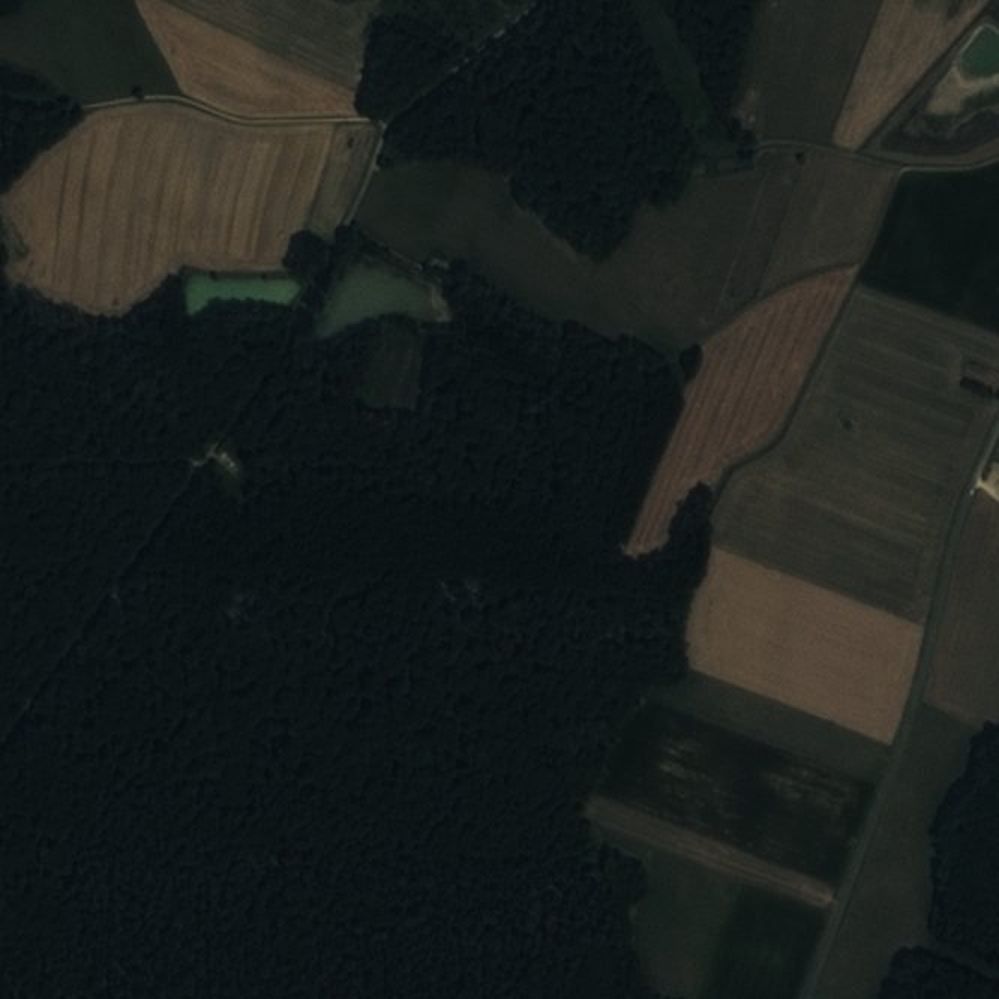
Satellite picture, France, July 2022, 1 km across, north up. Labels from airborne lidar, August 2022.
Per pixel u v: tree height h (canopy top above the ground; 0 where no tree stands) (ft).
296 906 69
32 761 60
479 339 66
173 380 50
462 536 74
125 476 66
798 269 0
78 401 59
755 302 0
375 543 77
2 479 69
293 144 0
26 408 53
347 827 59
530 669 69
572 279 0
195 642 65
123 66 0
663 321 0
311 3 0
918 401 0
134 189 0
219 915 57
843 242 0
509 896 31
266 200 0
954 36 0
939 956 22
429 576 71
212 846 68
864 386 0
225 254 0
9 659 60
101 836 52
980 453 0
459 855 63
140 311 35
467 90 59
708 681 0
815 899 0
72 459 37
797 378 0
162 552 77
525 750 65
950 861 57
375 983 68
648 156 62
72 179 0
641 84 70
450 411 58
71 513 61
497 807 64
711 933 0
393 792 75
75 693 90
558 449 73
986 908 71
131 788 60
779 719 0
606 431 38
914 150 0
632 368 93
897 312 0
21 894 81
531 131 64
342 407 87
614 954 37
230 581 78
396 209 0
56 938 77
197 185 0
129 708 90
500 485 71
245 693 83
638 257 0
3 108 53
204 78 0
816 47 0
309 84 0
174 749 76
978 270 0
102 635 70
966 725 0
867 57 0
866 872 0
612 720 76
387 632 51
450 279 48
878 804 0
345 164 0
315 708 87
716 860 0
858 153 0
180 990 67
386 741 68
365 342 76
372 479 26
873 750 0
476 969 68
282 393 62
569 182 77
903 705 0
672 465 0
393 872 67
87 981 61
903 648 0
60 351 76
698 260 0
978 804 85
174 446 63
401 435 66
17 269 0
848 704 0
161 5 0
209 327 63
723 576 0
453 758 70
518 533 78
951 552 0
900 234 0
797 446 0
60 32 0
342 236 42
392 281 0
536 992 80
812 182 0
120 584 45
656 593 76
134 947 74
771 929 0
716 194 0
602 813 0
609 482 43
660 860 0
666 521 0
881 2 0
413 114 51
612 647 73
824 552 0
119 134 0
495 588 80
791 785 0
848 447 0
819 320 0
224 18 0
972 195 0
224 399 60
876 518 0
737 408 0
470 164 44
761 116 0
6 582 65
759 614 0
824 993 0
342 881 58
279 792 64
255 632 70
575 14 73
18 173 57
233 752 77
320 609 64
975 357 0
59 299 0
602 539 53
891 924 0
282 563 74
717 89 50
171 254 0
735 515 0
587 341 45
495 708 77
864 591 0
